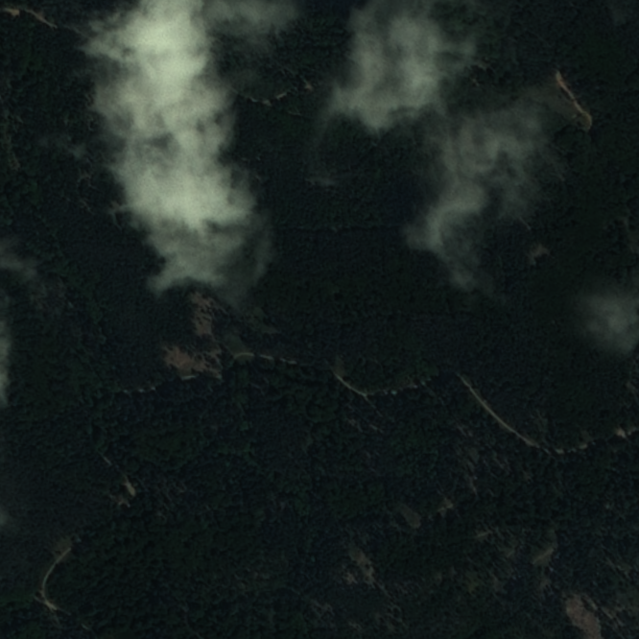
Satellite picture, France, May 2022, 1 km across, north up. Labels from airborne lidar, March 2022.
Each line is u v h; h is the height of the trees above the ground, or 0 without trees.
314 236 14
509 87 17
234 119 21
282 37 24
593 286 20
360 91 10
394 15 15
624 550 28
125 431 26
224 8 23
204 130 12
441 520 21
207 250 17
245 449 25
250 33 22
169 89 22
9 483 32
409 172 14
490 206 22
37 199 19
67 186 19
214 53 27
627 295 19
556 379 20
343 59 26
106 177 12
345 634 14
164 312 26
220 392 27
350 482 26
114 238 19
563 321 18
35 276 25
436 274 22
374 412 28
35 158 24
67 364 27
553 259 18
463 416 24
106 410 37
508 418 22
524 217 23
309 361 30
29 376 24
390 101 12
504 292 12
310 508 31
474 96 21
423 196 17
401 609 18
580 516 30
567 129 20
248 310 20
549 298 19
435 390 32
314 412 29
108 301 24
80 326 35
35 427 30
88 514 27
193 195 16
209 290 24
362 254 21
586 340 19
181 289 16
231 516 25
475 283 18
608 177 28
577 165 18
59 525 32
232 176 15
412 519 0
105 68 21
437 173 16
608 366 21
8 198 30
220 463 30
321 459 27
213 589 27
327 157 12
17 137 31
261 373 37
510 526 25
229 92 12
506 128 22
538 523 25
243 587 7
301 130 13
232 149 11
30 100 19
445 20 27
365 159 15
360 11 21
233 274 21
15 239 24
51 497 28
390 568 23
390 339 25
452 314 29
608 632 21
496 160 22
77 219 17
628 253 19
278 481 25
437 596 12
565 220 19
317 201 16
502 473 24
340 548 27
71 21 22
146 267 16
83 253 24
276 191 17
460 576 9
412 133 14
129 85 17
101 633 13
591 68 27
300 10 25
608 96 23
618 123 23
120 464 40
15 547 27
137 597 7
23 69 18
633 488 30
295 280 16
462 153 20
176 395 44
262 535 27
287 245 19
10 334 24
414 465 24
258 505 33
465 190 15
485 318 26
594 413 21
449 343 29
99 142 15
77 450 31
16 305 24
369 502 21
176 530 26
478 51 33
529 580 26
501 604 17
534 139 21
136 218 19
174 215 16
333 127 15
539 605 13
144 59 17
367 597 22
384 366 17
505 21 15
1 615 7
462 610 7
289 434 30
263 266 21
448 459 20
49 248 31
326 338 29
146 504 24
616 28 27
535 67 28
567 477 28
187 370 0
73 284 24
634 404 12
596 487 23
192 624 44
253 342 33
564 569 25
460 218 17
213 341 23
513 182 23
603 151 20
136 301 20
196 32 28
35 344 25
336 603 21
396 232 22
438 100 14
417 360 20
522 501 25
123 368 30
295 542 26
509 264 18
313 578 27
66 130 6
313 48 25
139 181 11
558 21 22
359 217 11
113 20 26
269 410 30
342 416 24
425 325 26
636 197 23
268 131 17
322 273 20
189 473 28
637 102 20
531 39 21
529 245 18
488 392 23
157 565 31
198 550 24
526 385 19
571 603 0
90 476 21
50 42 16
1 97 36
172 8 29
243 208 15
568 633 18
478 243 14
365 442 26
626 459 26
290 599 31
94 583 14
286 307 24
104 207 16
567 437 19
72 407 28
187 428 29
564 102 25
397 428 27
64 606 8
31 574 25
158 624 24
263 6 19
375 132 15
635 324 22
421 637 20
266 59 23
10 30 20
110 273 24
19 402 27
